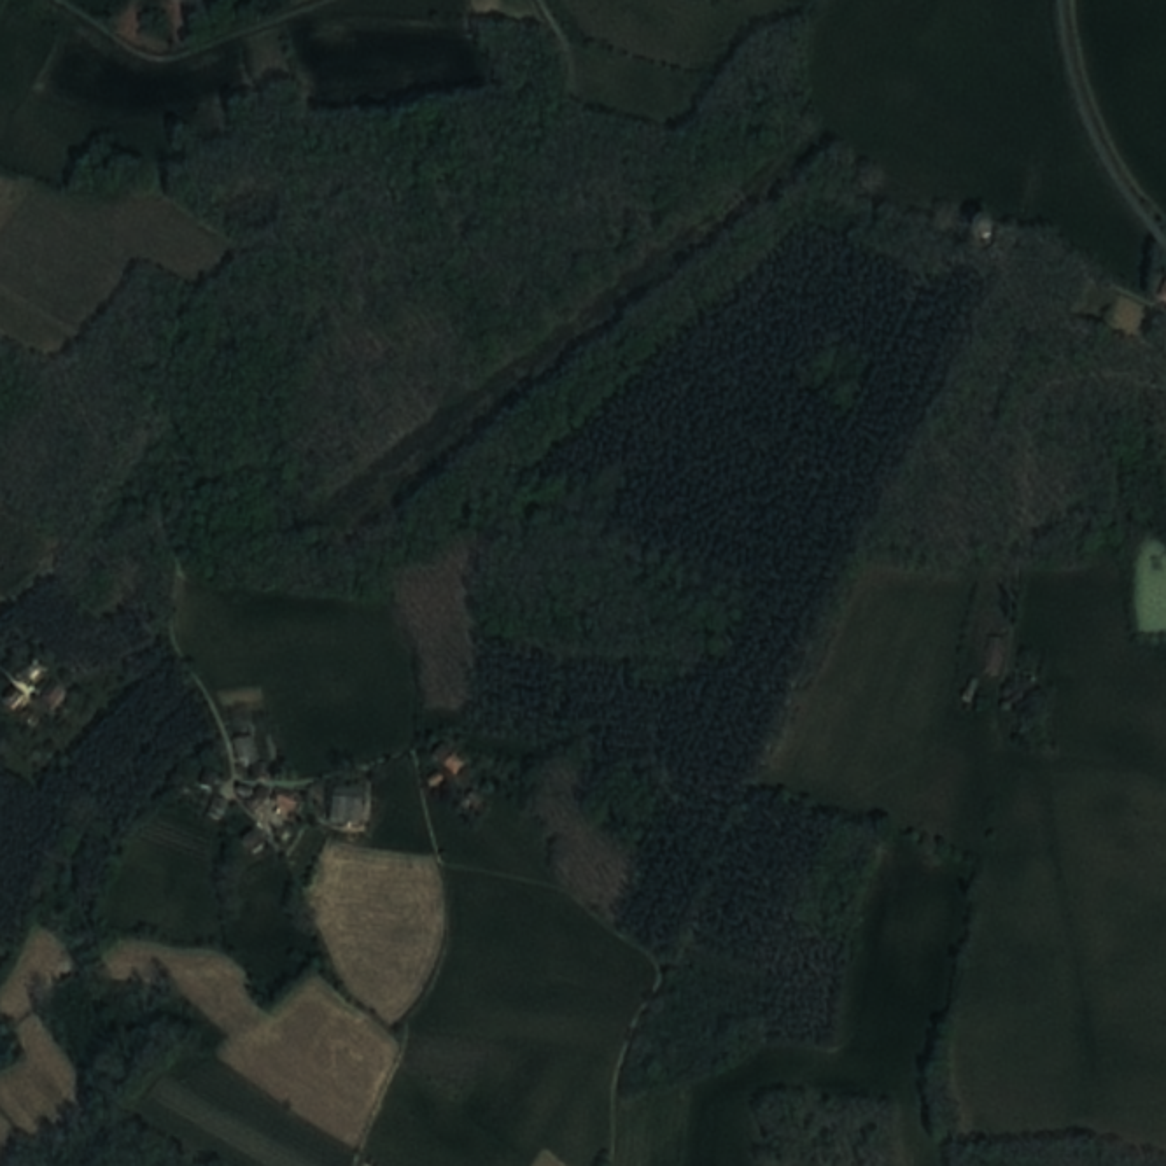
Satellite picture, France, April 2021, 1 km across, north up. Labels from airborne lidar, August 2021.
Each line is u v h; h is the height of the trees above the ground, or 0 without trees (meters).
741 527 14
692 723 15
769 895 17
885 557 22
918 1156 0
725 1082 0
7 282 0
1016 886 0
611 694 16
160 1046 22
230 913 15
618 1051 0
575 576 21
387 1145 0
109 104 0
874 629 0
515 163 20
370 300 18
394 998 0
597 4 0
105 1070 26
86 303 0
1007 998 0
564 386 24
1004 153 0
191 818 9
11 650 10
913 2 0
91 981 26
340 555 17
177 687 18
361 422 23
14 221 0
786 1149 18
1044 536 9
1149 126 0
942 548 21
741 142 24
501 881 0
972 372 20
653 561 22
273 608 0
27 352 13
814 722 0
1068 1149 20
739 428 18
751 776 12
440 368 17
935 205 7
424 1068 0
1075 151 0
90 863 18
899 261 18
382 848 0
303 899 7
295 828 7
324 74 0
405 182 18
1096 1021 0
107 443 20
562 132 21
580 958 0
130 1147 17
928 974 0
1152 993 0
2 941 13
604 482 20
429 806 0
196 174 19
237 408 33
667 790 13
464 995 0
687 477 16
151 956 0
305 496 22
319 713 0
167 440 12
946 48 0
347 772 24
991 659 0
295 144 20
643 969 0
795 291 16
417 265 21
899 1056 0
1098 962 0
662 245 14
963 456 22
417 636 19
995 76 0
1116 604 0
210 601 0
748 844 14
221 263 0
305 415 26
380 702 0
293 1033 0
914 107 0
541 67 24
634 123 11
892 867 0
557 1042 0
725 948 14
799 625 13
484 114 21
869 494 15
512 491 22
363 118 18
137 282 17
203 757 20
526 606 24
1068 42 0
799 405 15
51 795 14
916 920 0
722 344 15
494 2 0
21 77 0
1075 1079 0
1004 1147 19
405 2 0
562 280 19
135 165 19
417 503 22
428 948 0
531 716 17
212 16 19
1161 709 0
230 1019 0
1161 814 0
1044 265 20
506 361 18
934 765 0
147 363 20
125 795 14
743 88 20
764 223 21
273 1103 0
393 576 20
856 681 0
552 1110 0
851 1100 12
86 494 15
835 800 0
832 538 13
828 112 0
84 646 12
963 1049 0
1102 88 0
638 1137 0
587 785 21
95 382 21
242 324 23
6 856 15
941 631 0
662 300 22
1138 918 0
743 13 0
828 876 20
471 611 19
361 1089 0
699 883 16
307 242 21
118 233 0
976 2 0
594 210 20
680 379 18
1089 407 27
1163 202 0
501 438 26
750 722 15
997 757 0
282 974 0
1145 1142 0
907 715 0
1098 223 0
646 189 16
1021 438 20
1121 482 8
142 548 21
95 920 18
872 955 0
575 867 17
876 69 0
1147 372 22
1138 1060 0
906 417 14
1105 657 0
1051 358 22
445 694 17
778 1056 0
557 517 22
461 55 0
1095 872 0
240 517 28
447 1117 0
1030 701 12
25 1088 0
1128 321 0
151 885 0
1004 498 23
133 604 15
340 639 0
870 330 15
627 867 18
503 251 20
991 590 0
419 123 25
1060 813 0
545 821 12
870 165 11
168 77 0
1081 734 0
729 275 23
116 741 17
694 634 23
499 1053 0
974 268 22
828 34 0
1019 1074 0
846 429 16
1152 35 0
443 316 17
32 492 17
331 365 21
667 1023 14
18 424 19
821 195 19
